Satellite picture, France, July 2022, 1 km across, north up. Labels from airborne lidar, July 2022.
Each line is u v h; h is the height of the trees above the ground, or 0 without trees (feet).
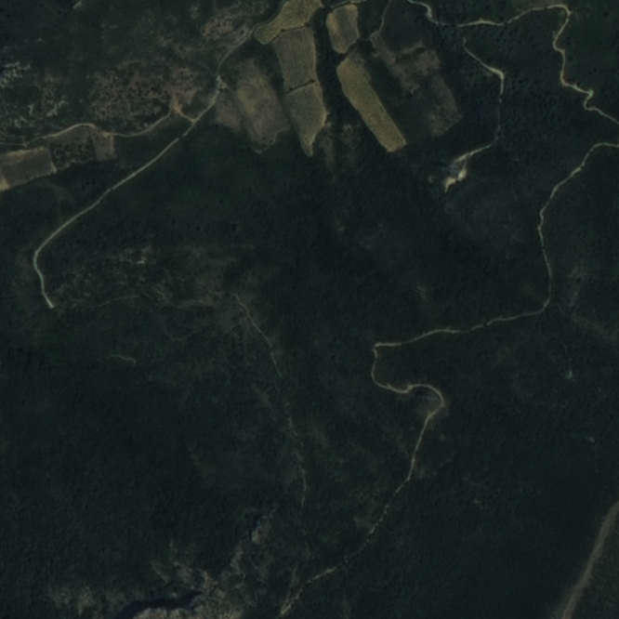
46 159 0
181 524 27
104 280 21
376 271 19
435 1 36
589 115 17
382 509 25
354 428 29
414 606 18
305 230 21
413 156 20
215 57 0
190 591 28
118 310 22
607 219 22
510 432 25
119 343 19
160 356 27
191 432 20
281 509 24
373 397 21
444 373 19
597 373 22
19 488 29
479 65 30
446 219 26
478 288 31
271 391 19
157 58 0
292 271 25
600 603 18
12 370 28
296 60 0
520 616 19
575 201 26
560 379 23
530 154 23
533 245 21
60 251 18
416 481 21
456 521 19
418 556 22
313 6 0
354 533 18
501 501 18
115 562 21
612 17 39
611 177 23
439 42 29
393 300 20
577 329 24
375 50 32
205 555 36
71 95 0
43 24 0
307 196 23
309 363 26
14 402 28
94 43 0
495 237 18
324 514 22
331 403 25
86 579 24
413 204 25
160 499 28
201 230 44
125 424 22
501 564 18
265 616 28
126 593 27
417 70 0
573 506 19
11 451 22
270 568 22
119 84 0
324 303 24
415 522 27
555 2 0
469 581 22
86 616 33
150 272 25
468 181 22
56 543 26
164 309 21
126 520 32
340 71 0
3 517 31
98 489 25
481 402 27
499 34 27
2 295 25
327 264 21
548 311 31
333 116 43
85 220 21
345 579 24
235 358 21
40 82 0
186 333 23
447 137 22
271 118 0
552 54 23
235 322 18
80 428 26
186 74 0
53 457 27
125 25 0
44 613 27
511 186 31
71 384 30
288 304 24
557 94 20
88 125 0
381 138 0
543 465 18
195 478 22
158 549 28
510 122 27
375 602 26
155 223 23
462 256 51
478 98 20
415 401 19
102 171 19
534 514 23
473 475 20
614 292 22
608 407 21
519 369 20
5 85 0
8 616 30
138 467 26
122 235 21
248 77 0
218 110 0
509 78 36
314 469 19
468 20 47
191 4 0
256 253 19
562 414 18
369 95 0
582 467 19
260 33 0
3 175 0
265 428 22
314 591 20
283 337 22
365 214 19
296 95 0
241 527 24
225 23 0
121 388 18
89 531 18
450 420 20
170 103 0
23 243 23
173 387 25
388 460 22
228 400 23
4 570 27
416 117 22
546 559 20
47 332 21
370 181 20
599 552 0
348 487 19
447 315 36
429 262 21
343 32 0
